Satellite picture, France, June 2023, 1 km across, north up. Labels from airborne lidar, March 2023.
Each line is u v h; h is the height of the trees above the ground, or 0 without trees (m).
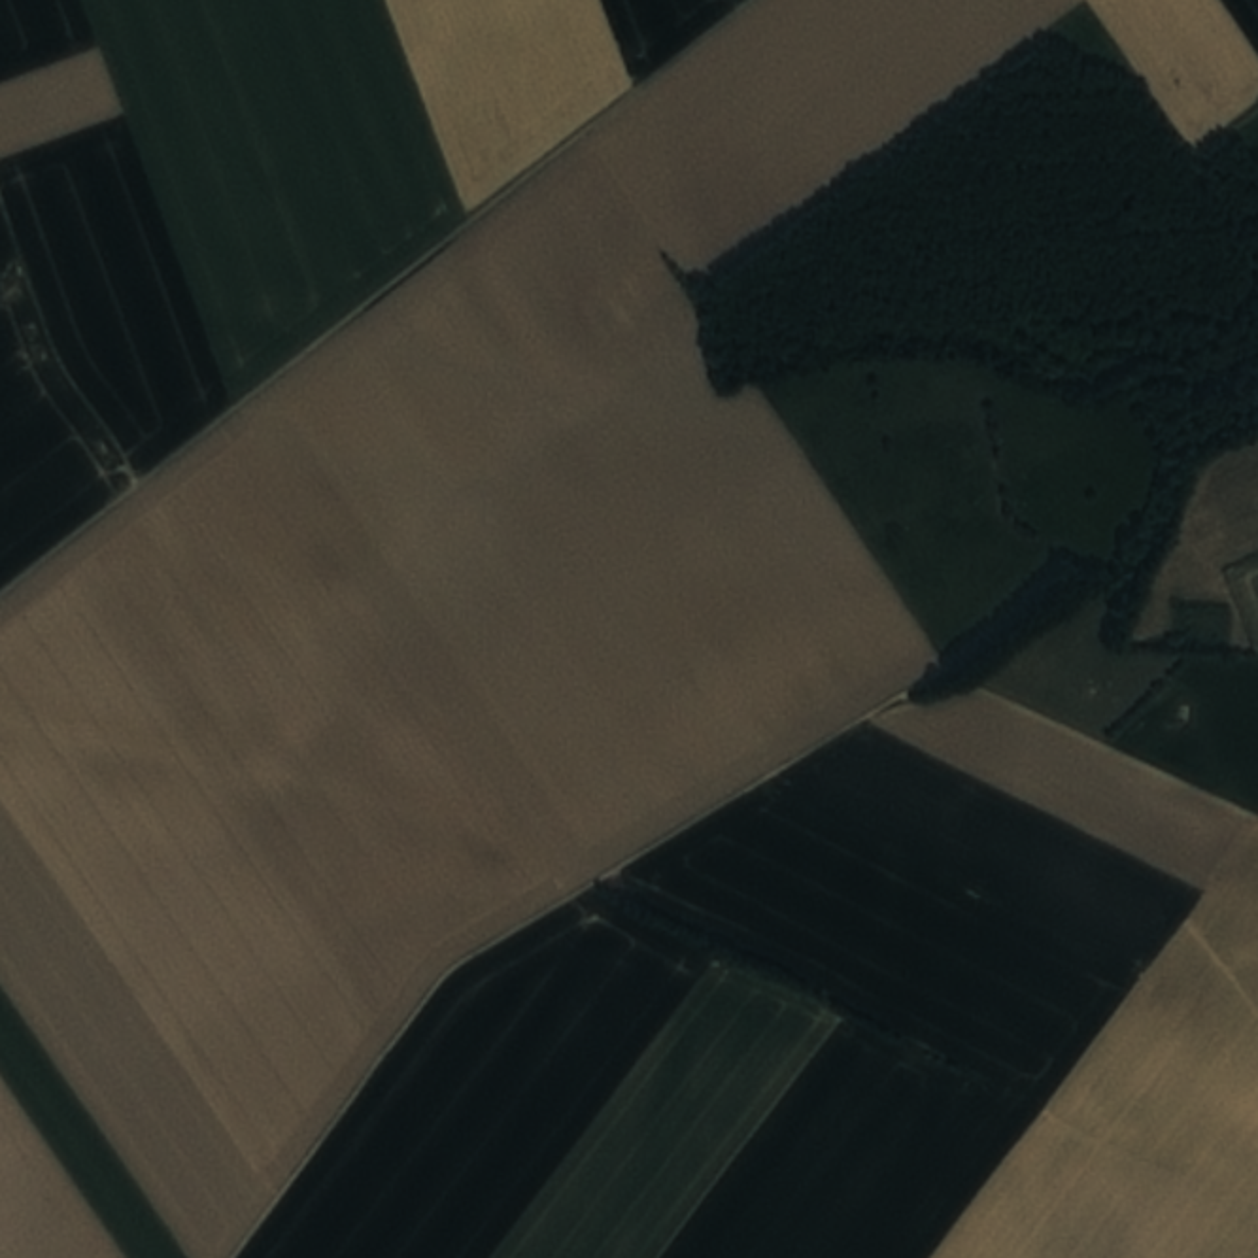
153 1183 0
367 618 0
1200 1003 0
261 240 0
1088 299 16
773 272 19
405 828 0
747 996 0
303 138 0
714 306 16
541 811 0
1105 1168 0
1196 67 0
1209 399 23
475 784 0
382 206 0
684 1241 0
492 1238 0
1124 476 0
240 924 0
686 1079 0
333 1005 0
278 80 0
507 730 0
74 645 0
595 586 0
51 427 0
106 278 0
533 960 0
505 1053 0
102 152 0
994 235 16
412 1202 0
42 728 0
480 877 0
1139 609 7
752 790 0
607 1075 0
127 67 0
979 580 0
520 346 0
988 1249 0
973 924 0
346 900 0
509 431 0
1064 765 0
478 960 0
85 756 0
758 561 0
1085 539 0
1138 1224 0
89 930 0
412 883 0
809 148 0
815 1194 0
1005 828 0
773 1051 0
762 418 0
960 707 0
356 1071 0
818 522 0
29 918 0
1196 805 0
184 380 0
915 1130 0
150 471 0
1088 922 0
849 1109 0
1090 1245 0
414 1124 0
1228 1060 0
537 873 0
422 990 0
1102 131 15
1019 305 18
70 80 0
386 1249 0
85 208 0
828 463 0
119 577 0
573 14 0
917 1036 0
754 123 0
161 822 0
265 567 0
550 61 0
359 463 0
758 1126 0
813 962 0
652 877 0
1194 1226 0
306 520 0
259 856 0
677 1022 0
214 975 0
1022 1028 0
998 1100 0
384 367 0
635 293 0
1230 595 0
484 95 0
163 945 0
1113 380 22
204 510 0
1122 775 0
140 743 0
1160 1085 0
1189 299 17
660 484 0
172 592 0
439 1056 0
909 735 0
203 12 0
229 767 0
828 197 13
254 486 0
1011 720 0
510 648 0
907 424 0
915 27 0
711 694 0
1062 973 0
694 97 0
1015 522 8
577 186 0
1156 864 0
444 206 0
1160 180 16
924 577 0
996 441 7
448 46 0
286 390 0
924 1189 0
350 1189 0
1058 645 0
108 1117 0
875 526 0
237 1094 0
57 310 0
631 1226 0
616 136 0
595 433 0
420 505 0
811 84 0
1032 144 16
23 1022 0
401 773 0
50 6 0
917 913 0
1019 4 0
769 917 0
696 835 0
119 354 0
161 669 0
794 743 0
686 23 0
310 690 0
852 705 0
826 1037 0
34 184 0
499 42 0
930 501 0
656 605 0
